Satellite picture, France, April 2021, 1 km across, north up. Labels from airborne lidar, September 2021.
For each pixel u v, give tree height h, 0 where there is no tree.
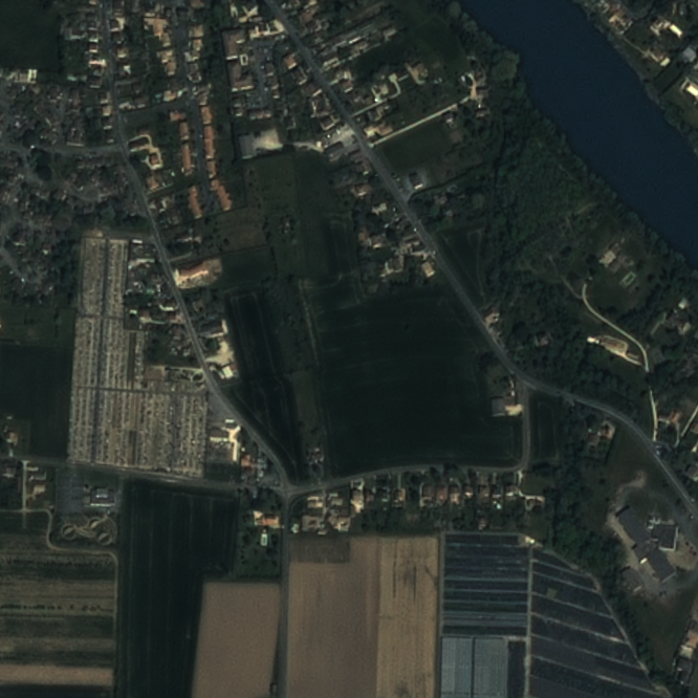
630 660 0
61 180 10
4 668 0
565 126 0
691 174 0
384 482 7
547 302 16
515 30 0
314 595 0
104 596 0
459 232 0
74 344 0
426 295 0
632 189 0
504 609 0
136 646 0
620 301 0
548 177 16
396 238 12
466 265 0
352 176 11
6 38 0
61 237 11
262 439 0
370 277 7
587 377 19
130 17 8
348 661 0
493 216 22
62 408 0
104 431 0
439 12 16
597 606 0
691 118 0
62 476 0
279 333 0
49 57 0
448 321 0
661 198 0
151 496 0
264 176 0
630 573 0
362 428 0
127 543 0
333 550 0
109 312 0
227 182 0
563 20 0
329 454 0
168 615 0
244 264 0
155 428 0
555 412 0
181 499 0
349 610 0
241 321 0
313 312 0
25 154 0
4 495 6
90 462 0
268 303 8
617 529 0
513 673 0
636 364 0
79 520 0
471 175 6
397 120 0
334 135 0
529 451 0
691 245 0
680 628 0
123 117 0
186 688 0
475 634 0
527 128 6
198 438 0
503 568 0
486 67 9
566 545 13
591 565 12
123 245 0
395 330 0
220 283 0
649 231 16
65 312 0
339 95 6
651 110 0
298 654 0
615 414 0
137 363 0
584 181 14
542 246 19
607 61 0
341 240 0
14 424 0
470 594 0
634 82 0
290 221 7
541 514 10
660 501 0
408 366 0
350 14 15
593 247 0
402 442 0
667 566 0
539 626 0
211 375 0
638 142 0
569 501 27
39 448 0
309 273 0
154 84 6
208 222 11
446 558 0
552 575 0
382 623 0
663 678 6
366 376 0
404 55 6
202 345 0
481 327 0
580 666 0
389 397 0
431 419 0
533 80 0
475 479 17
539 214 18
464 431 0
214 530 0
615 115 0
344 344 0
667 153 0
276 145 0
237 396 0
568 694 0
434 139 0
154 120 0
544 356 16
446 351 0
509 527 11
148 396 0
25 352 0
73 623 0
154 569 0
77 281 14
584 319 0
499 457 0
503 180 8
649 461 0
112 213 21
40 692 0
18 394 0
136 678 0
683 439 9
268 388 0
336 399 0
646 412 0
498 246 7
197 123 0
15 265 0
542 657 0
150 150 0
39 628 0
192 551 0
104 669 0
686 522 0
